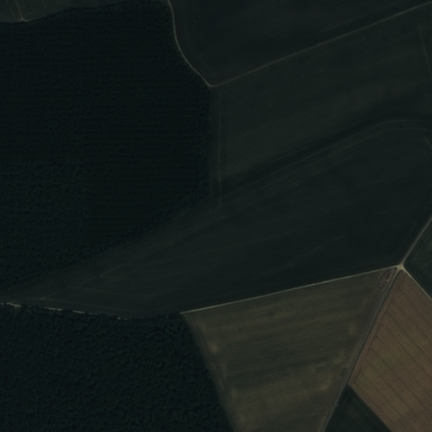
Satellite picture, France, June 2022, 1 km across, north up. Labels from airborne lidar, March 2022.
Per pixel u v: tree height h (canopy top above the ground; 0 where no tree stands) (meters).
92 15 15
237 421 0
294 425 0
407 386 0
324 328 0
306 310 0
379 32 0
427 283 0
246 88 0
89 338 21
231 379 0
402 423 0
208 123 16
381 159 0
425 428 0
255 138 0
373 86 0
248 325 0
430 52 0
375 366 0
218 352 0
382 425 0
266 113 0
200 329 0
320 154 0
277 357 0
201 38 0
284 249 0
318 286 0
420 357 0
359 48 0
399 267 0
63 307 0
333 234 0
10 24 9
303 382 0
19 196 18
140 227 11
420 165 0
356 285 0
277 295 0
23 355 18
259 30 0
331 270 0
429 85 0
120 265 0
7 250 17
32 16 0
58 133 17
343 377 0
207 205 0
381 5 0
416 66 0
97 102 15
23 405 19
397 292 0
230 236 0
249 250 0
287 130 0
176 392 24
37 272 10
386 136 0
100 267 0
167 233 0
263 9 0
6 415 20
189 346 19
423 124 0
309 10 0
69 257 18
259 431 0
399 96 0
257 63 0
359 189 0
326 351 0
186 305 0
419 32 0
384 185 0
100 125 16
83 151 17
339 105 0
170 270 0
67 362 20
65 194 19
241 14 0
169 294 0
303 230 0
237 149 0
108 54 14
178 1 0
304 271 0
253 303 0
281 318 0
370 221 0
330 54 0
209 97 10
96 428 20
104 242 7
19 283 16
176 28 0
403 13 0
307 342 0
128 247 0
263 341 0
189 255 0
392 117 0
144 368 20
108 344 9
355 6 0
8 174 14
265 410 0
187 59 0
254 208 0
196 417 20
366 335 0
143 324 16
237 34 0
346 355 0
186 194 11
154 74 14
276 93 0
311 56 0
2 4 0
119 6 8
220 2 0
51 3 0
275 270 0
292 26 0
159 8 9
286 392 0
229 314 0
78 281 0
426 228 0
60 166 20
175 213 17
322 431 0
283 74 0
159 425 20
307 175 0
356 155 0
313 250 0
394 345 0
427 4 0
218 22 0
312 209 0
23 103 16
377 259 0
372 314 0
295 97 0
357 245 0
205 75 0
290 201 0
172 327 20
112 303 0
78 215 17
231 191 0
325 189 0
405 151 0
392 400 0
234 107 0
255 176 0
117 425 24
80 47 15
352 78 0
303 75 0
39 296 0
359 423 0
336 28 0
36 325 18
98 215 10
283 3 0
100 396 23
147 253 0
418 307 0
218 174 0
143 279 0
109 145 18
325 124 0
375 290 0
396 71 0
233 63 0
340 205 0
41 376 17
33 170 18
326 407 0
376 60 0
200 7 0
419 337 0
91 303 0
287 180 0
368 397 0
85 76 16
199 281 0
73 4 0
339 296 0
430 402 0
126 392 19
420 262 0
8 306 12
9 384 19
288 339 0
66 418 19
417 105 0
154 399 20
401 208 0
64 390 19
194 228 0
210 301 0
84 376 21
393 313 0
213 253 0
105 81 16
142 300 0
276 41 0
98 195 13
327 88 0
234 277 0
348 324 0
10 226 18
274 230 0
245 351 0
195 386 21
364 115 0
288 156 0
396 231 0
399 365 0
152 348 20
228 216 0
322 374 0
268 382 0
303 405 0
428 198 0
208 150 15
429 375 0
